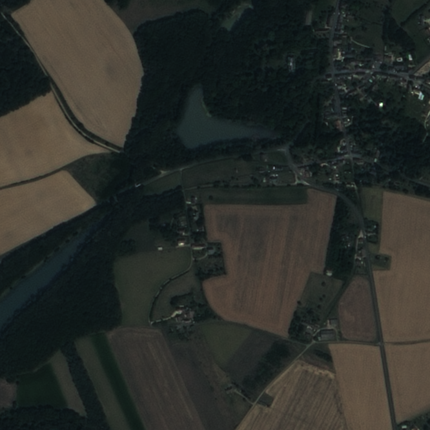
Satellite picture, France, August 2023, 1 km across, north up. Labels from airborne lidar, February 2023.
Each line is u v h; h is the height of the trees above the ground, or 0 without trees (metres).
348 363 0
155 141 24
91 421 16
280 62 0
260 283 0
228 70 25
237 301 0
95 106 0
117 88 0
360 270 0
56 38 0
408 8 0
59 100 0
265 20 23
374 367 0
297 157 11
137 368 0
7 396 0
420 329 0
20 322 15
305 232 0
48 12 0
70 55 0
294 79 26
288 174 0
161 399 0
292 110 29
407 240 0
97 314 19
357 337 0
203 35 21
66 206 0
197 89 0
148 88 25
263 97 19
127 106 0
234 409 0
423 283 0
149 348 0
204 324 0
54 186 0
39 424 20
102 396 0
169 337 0
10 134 0
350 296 0
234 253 0
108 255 16
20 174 0
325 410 0
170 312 0
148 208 16
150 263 0
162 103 20
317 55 19
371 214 0
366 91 12
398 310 0
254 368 0
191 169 0
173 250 0
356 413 0
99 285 21
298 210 0
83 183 0
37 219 0
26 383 0
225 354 0
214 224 0
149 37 18
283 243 0
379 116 12
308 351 0
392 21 19
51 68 0
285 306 0
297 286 0
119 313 12
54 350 18
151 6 0
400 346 0
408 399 0
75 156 0
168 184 0
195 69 18
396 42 11
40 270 0
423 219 0
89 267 18
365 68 0
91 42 0
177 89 19
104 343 0
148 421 0
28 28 0
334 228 8
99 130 0
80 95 0
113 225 23
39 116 0
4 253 0
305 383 0
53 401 0
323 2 0
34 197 0
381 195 0
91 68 0
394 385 0
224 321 0
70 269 17
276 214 0
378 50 0
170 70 25
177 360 0
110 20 0
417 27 0
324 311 0
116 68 0
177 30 21
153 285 0
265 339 0
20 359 21
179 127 0
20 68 16
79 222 17
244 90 31
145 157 29
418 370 0
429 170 21
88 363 0
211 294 0
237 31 20
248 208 0
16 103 15
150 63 21
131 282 0
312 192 0
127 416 0
